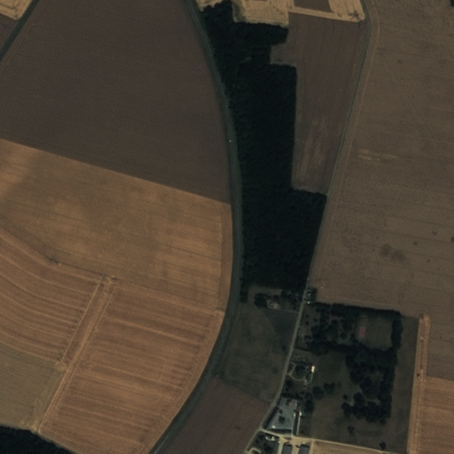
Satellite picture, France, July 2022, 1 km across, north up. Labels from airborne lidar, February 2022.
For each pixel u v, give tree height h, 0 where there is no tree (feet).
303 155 0
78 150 0
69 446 0
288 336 0
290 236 85
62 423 0
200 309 0
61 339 0
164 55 0
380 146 0
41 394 0
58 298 0
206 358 0
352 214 0
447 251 0
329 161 0
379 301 0
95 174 0
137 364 0
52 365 0
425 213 0
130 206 0
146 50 0
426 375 0
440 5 0
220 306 0
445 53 0
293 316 0
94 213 0
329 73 0
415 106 0
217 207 0
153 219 0
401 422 0
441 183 0
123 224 0
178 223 0
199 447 0
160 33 0
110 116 0
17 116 0
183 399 0
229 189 0
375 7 0
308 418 0
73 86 0
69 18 0
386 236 0
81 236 0
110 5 0
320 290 0
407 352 0
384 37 0
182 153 0
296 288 36
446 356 0
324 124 0
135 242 0
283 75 65
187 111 0
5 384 0
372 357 85
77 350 0
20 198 0
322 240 0
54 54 0
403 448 0
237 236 0
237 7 0
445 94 0
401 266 0
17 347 0
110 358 0
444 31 0
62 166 0
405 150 0
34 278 0
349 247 0
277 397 0
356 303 0
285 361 0
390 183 0
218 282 0
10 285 0
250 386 0
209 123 0
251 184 59
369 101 0
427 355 0
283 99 70
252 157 75
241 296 30
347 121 0
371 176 0
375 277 0
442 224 0
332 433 0
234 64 58
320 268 0
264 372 0
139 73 0
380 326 0
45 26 0
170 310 0
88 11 0
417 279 0
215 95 0
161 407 0
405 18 0
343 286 0
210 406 0
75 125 0
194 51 0
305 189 0
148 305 0
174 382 0
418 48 0
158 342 0
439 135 0
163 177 0
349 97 0
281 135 80
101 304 0
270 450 43
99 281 0
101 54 0
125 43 0
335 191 0
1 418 0
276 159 73
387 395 89
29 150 0
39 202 0
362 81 0
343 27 0
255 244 66
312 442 0
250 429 0
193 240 0
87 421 0
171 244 0
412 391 0
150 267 0
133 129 0
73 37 0
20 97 0
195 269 0
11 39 0
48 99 0
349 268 0
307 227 69
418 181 0
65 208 0
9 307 0
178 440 0
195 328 0
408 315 0
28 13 0
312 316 0
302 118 0
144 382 0
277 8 0
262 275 69
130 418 0
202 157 0
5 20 0
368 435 0
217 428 0
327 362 0
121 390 0
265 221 65
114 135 0
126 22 0
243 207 21
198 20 0
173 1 0
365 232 0
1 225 0
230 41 57
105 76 0
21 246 0
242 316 0
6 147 0
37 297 0
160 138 0
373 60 0
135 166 0
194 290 0
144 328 0
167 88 0
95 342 0
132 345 0
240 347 0
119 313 0
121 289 0
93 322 0
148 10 0
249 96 62
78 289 0
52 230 0
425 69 0
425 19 0
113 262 0
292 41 0
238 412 0
